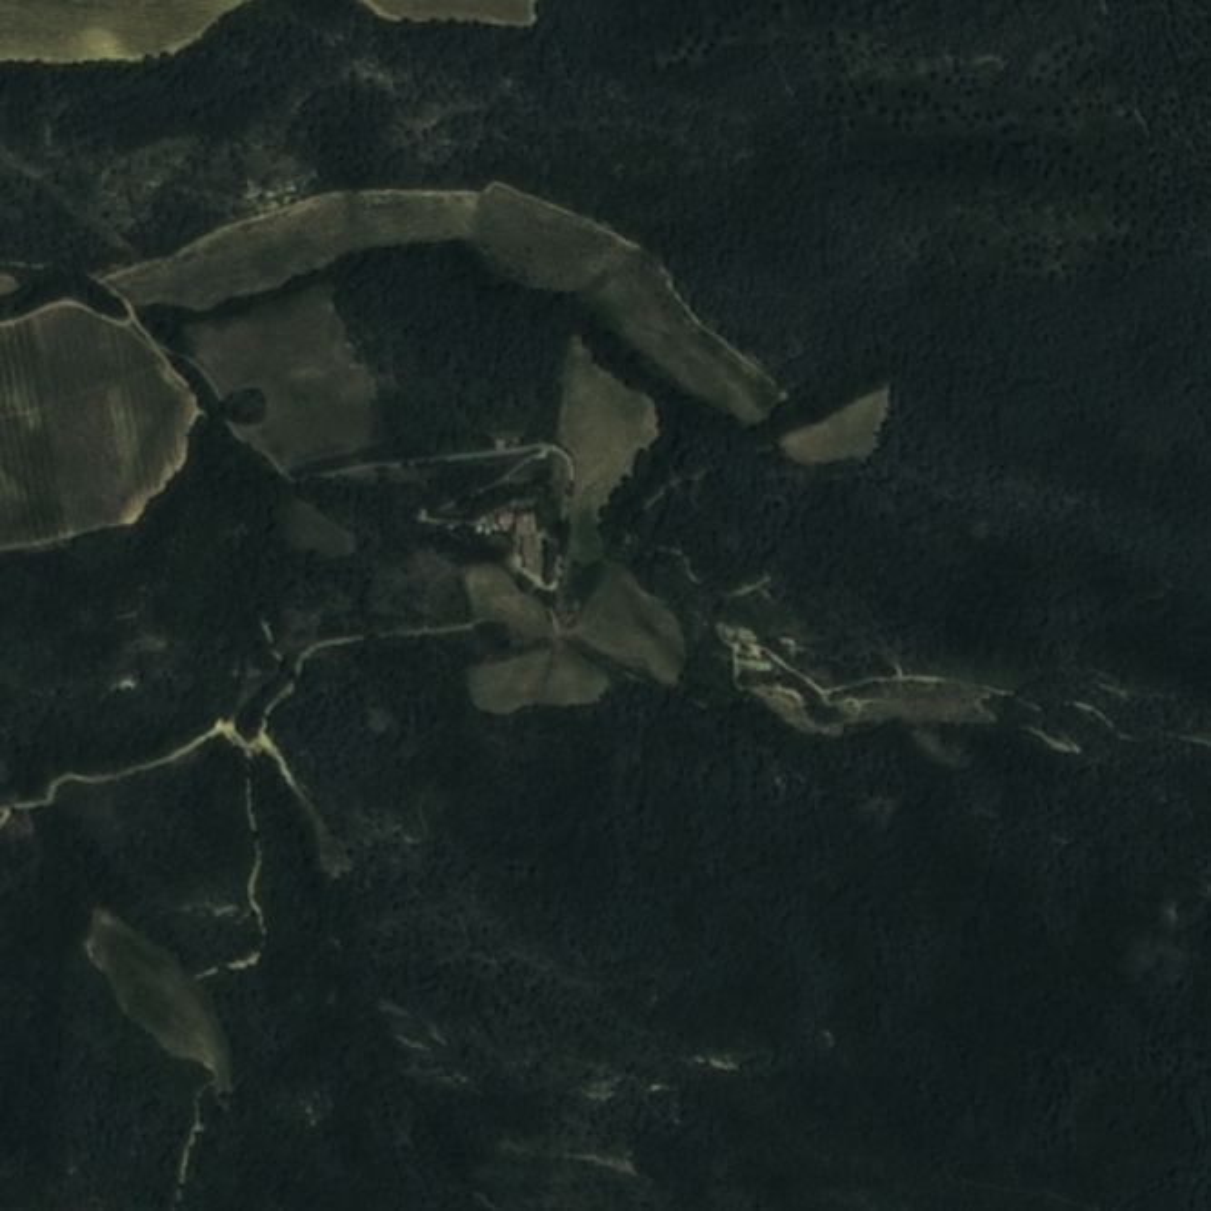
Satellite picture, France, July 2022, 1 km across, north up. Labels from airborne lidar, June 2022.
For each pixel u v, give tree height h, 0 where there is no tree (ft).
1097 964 21
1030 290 32
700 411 59
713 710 35
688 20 28
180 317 26
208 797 21
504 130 22
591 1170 25
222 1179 30
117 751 25
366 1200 17
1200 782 22
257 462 43
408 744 20
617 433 0
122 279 0
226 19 38
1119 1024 42
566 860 20
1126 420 39
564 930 31
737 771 38
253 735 52
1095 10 39
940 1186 18
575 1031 20
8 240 27
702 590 23
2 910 23
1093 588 24
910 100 52
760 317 26
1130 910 19
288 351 0
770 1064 27
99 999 19
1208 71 50
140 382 0
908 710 0
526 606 0
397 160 37
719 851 37
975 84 48
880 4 34
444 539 17
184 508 21
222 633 33
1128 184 46
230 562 33
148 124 30
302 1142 27
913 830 30
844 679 28
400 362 39
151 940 26
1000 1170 21
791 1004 25
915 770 23
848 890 46
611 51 34
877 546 18
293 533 0
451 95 17
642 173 24
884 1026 46
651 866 29
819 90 43
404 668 24
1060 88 41
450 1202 32
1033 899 21
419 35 33
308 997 22
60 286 44
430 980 41
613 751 26
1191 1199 46
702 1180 21
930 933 23
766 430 36
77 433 0
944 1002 22
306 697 25
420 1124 27
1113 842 38
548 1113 29
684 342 0
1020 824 37
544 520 18
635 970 20
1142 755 18
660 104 31
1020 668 18
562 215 0
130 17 0
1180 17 70
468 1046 17
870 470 42
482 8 0
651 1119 30
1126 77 42
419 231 0
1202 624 19
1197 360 50
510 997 18
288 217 0
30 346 0
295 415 0
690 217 21
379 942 27
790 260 36
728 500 31
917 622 23
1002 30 25
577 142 26
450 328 47
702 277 31
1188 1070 50
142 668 17
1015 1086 27
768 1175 22
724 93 34
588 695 0
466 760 23
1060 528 37
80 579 20
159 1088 29
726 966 27
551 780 30
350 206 0
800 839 25
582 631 0
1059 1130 43
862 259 36
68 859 25
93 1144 37
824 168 27
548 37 33
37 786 28
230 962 26
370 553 28
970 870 21
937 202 30
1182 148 53
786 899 35
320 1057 29
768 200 36
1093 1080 58
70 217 29
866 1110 30
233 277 0
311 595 19
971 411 34
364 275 39
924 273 34
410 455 22
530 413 21
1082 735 25
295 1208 25
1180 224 69
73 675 23
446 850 23
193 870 19
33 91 25
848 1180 18
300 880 26
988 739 25
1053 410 46
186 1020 0
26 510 0
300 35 31
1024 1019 26
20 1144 22
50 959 26
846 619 21
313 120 40
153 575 23
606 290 0
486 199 0
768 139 28
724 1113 23
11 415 0
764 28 40
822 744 36
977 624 19
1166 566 38
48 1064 27
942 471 33
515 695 0
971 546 19
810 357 37
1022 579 28
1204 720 29
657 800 21
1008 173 23
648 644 0
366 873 20
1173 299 39
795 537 44
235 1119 24
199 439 24
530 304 59
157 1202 24
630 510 46
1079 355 44
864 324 44
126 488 0
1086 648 20
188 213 21
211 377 0
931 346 39
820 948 21
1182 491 28
